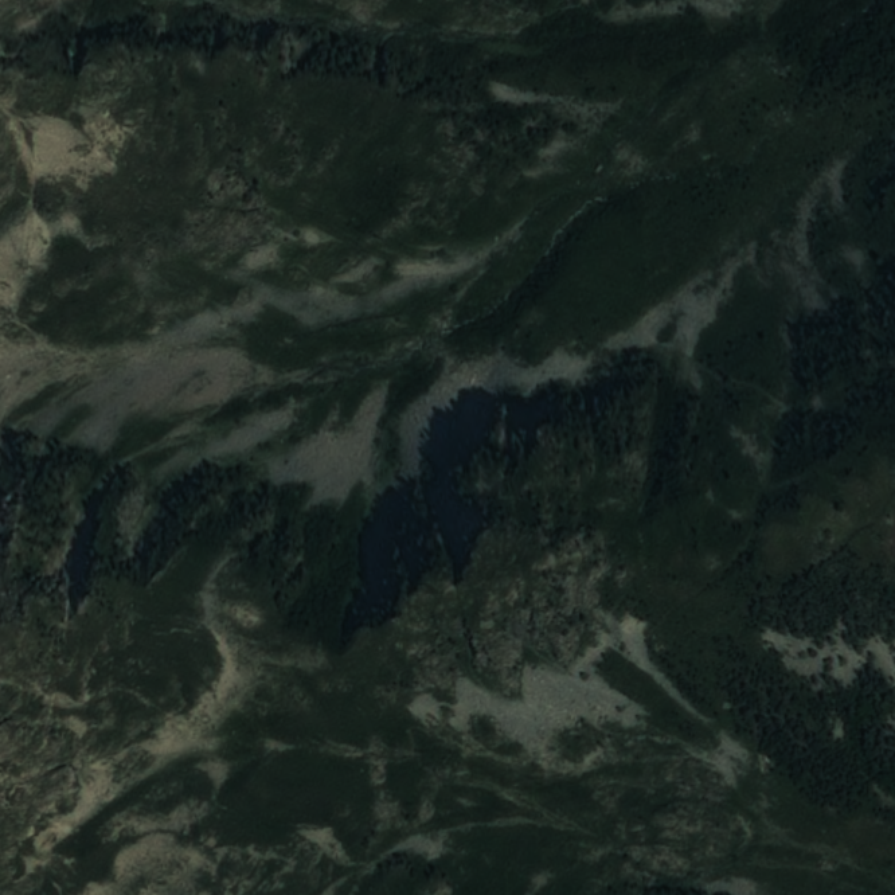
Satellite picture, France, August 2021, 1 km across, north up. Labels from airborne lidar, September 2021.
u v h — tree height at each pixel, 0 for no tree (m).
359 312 0
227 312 0
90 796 0
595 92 9
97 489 0
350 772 0
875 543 0
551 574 9
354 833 0
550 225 0
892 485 0
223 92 0
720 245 0
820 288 0
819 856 0
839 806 7
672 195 0
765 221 0
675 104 0
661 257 0
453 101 12
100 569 7
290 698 0
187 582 0
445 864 0
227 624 0
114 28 12
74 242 0
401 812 0
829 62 7
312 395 0
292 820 0
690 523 0
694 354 0
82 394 0
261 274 0
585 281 0
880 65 9
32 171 0
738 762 0
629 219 0
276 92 0
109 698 0
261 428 0
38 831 0
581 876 0
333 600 6
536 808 0
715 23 0
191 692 0
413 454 0
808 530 0
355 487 0
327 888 0
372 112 0
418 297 0
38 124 0
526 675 0
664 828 0
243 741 0
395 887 0
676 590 0
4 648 0
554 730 0
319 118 0
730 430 0
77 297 0
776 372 0
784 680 8
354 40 9
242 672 0
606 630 0
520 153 9
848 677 0
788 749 17
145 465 0
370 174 0
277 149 0
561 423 7
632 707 0
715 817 0
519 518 0
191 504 13
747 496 0
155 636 0
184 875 0
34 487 7
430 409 0
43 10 0
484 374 0
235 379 0
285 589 9
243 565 6
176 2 0
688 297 0
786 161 0
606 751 0
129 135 0
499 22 0
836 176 0
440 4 0
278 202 0
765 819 0
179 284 0
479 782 0
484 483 0
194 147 0
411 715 0
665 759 0
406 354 0
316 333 0
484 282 0
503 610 0
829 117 0
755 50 0
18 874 0
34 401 0
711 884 0
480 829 0
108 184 0
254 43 9
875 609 10
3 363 0
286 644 0
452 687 0
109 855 0
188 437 0
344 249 0
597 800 0
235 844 0
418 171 0
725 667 6
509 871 0
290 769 0
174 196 0
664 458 7
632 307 0
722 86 0
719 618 0
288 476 0
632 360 16
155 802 0
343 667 0
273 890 0
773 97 0
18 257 0
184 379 0
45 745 0
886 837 0
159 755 0
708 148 0
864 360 9
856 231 0
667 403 5
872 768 18
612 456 10
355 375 0
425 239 0
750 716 23
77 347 0
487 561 0
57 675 0
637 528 0
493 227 0
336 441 0
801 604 20
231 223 0
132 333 0
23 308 0
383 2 0
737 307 0
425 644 0
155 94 0
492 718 0
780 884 0
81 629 0
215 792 0
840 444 9
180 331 0
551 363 0
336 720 0
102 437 0
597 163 0
